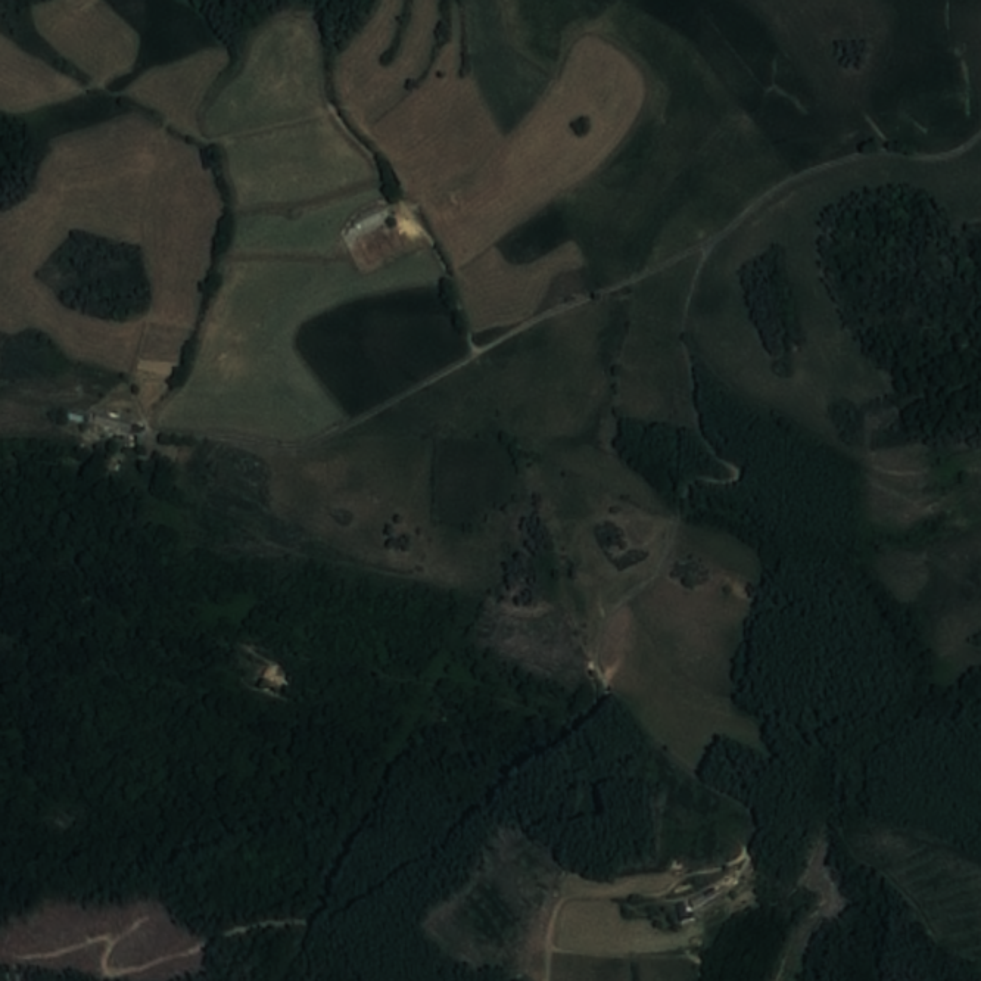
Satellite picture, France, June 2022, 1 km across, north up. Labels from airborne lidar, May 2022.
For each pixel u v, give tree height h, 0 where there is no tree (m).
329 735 22
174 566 10
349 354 0
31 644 20
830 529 17
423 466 0
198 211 0
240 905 8
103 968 0
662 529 0
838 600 24
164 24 0
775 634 27
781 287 14
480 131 0
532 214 0
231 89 0
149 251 0
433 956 22
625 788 28
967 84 0
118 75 0
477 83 0
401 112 0
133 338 0
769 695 24
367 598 8
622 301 0
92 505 12
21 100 0
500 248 0
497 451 0
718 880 0
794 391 0
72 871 32
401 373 0
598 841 25
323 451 0
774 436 16
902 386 15
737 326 0
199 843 30
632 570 0
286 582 8
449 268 7
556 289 0
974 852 9
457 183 0
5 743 16
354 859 19
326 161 0
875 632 22
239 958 7
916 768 11
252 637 10
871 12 0
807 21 0
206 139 0
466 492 0
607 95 0
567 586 0
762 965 14
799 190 0
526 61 0
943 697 18
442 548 0
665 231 0
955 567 0
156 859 27
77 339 0
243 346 0
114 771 13
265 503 0
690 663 0
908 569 0
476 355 0
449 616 9
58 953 0
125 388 0
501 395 0
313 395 0
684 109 0
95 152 0
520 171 0
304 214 0
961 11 0
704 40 0
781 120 0
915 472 0
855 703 28
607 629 0
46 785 11
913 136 0
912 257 10
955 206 0
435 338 0
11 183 17
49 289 0
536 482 0
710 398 14
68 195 0
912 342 14
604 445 0
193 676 17
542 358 0
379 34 0
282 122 0
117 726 6
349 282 0
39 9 0
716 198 0
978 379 16
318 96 0
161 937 0
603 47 0
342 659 9
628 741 26
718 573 0
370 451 0
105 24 0
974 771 11
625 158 0
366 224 0
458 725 7
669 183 0
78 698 14
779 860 25
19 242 0
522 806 28
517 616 0
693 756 0
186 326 0
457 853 26
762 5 0
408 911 24
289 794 13
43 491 18
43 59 0
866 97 0
